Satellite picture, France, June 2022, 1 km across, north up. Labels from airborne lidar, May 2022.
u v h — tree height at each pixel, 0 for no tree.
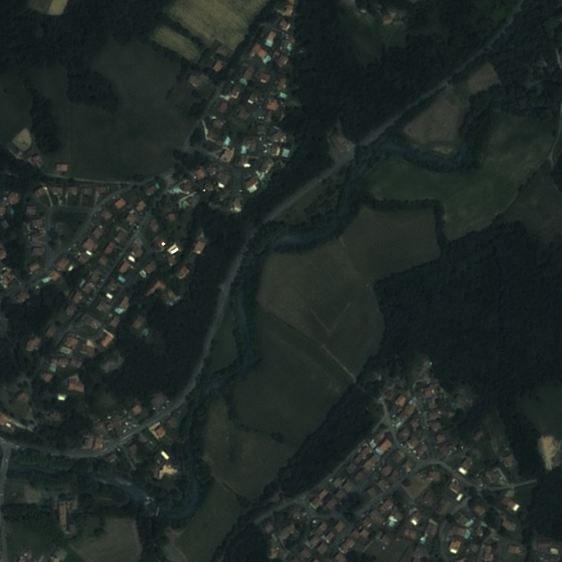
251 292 10
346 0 0
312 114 17
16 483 0
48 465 18
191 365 22
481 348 24
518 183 0
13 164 21
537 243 15
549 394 0
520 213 0
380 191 0
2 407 14
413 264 0
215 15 0
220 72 9
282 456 0
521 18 15
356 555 17
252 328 8
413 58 25
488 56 13
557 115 11
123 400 9
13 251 18
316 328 0
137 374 23
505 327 20
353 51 13
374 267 0
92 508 24
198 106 15
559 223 0
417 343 23
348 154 0
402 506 6
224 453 0
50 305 16
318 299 0
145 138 0
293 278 0
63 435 19
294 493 16
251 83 18
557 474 18
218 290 11
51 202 0
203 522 0
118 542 0
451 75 18
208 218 23
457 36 14
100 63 0
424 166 8
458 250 14
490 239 14
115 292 7
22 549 0
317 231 7
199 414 21
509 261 24
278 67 16
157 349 10
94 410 12
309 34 26
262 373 0
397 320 24
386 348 20
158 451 7
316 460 24
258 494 0
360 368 0
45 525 29
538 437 16
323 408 0
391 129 11
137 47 0
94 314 0
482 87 0
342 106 19
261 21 11
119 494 25
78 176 0
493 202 0
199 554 0
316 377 0
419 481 0
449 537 0
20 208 11
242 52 12
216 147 0
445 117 0
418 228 0
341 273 0
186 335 25
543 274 11
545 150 0
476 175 0
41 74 0
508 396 17
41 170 14
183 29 9
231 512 0
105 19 24
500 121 0
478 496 8
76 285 11
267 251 7
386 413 0
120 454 19
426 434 0
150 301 15
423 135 0
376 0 12
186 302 16
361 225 0
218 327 0
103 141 0
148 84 0
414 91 16
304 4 21
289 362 0
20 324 22
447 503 0
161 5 10
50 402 15
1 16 20
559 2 24
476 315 23
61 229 0
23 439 18
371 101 15
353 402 22
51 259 0
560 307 24
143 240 0
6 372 17
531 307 20
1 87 0
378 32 0
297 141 13
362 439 15
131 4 21
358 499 23
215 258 21
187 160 17
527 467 21
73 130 0
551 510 17
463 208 0
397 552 0
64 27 24
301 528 12
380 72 12
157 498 11
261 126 0
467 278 27
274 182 16
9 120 0
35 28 21
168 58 11
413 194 0
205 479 18
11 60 27
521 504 0
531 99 29
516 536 0
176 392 16
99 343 8
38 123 15
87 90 21
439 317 22
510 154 0
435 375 19
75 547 0
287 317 0
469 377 23
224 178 0
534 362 21
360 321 0
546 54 15
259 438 0
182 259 8
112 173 0
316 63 28
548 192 0
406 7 8
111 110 6
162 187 6
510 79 17
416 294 16
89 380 19
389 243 0
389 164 0
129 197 0
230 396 11
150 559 7
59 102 0
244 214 10
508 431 14
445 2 14
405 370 18
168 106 0
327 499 11
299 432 0
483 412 23
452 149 0
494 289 13
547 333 19
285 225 19
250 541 28
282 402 0
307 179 17
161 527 23
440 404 15
